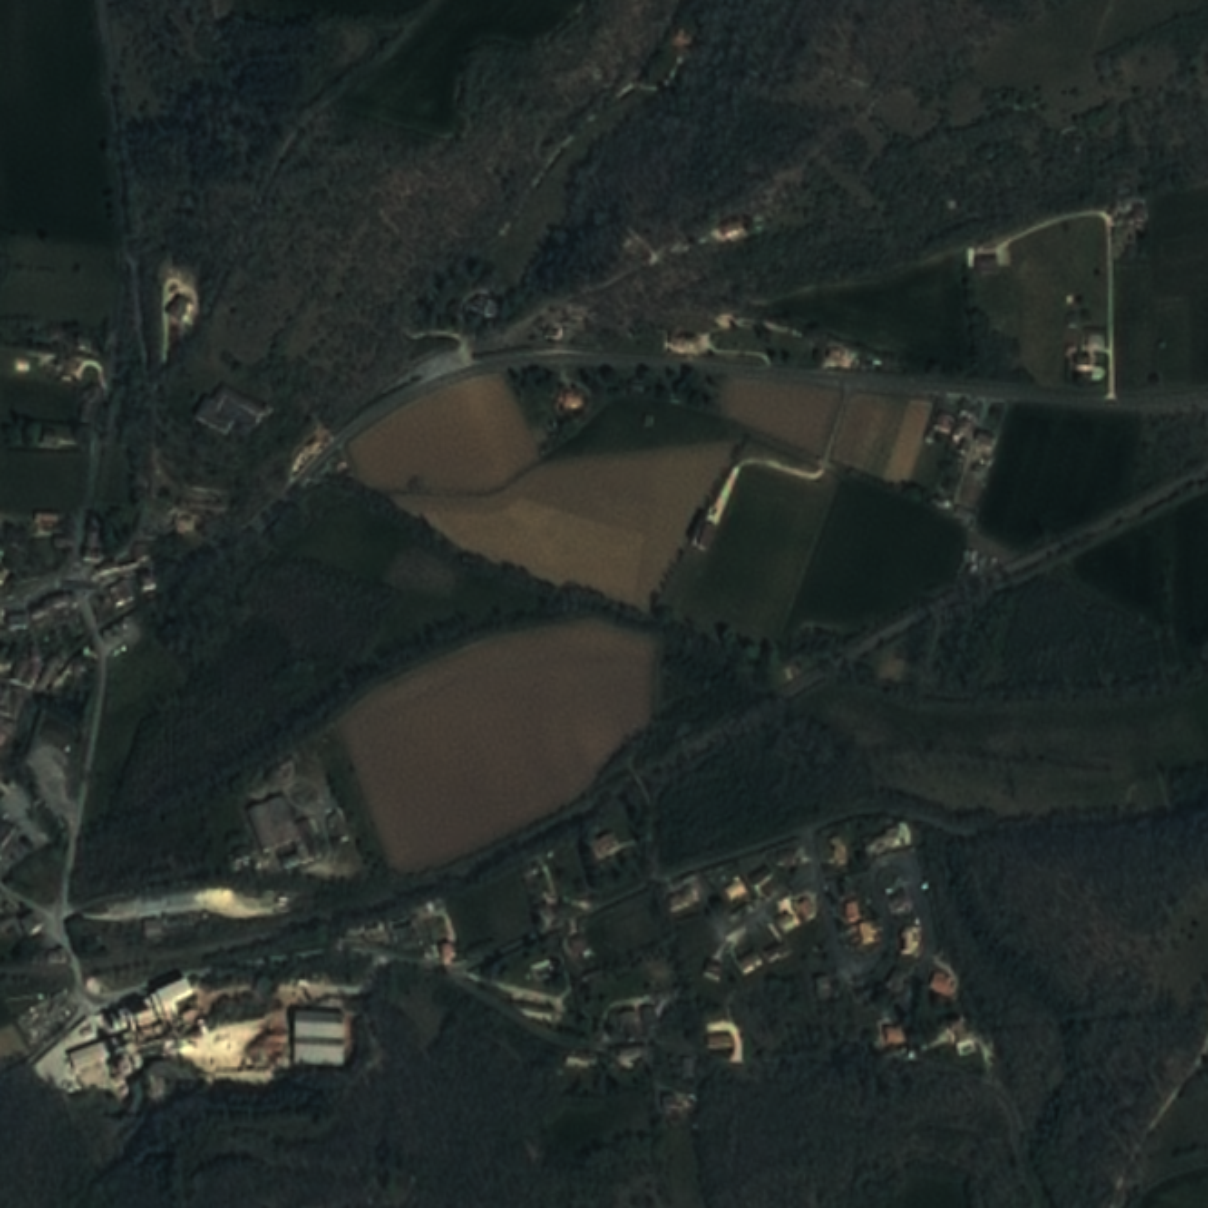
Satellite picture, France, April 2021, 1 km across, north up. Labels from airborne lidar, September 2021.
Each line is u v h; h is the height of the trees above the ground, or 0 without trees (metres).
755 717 21
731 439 0
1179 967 0
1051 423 0
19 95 0
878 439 0
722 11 16
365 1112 6
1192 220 0
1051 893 11
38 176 0
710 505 11
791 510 0
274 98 21
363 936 6
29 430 17
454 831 0
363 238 6
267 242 10
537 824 8
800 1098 11
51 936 0
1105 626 7
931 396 6
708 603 0
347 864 0
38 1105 11
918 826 8
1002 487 0
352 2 0
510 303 7
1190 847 20
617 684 0
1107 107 7
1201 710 0
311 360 9
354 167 7
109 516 9
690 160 7
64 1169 17
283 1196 8
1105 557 0
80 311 0
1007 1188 14
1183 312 0
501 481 0
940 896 10
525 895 0
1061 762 0
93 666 11
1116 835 19
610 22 10
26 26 0
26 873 9
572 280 11
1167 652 12
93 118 0
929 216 11
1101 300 0
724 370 0
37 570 15
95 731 0
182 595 30
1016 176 10
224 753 9
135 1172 14
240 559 33
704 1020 9
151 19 6
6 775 17
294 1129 0
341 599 8
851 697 0
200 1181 9
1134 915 10
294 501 16
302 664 13
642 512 0
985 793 0
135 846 11
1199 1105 0
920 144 11
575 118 9
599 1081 6
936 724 0
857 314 0
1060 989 16
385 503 13
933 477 0
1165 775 0
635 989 0
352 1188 11
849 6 11
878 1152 9
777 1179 14
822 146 10
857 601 0
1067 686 21
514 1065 10
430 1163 11
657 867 11
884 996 8
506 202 7
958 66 15
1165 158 11
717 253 13
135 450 17
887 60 13
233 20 10
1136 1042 14
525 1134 11
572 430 14
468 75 14
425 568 0
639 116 14
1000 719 0
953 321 0
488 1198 16
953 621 27
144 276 12
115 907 0
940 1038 10
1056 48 0
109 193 9
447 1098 16
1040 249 0
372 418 0
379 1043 13
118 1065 0
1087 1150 15
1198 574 0
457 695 0
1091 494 0
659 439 0
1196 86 14
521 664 0
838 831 10
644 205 9
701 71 15
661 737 11
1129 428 0
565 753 0
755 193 13
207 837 10
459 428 0
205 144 21
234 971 9
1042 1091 8
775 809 6
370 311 6
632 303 13
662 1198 10
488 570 14
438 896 11
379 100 0
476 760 0
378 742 0
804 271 10
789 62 9
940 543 0
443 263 17
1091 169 9
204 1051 0
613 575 0
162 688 0
